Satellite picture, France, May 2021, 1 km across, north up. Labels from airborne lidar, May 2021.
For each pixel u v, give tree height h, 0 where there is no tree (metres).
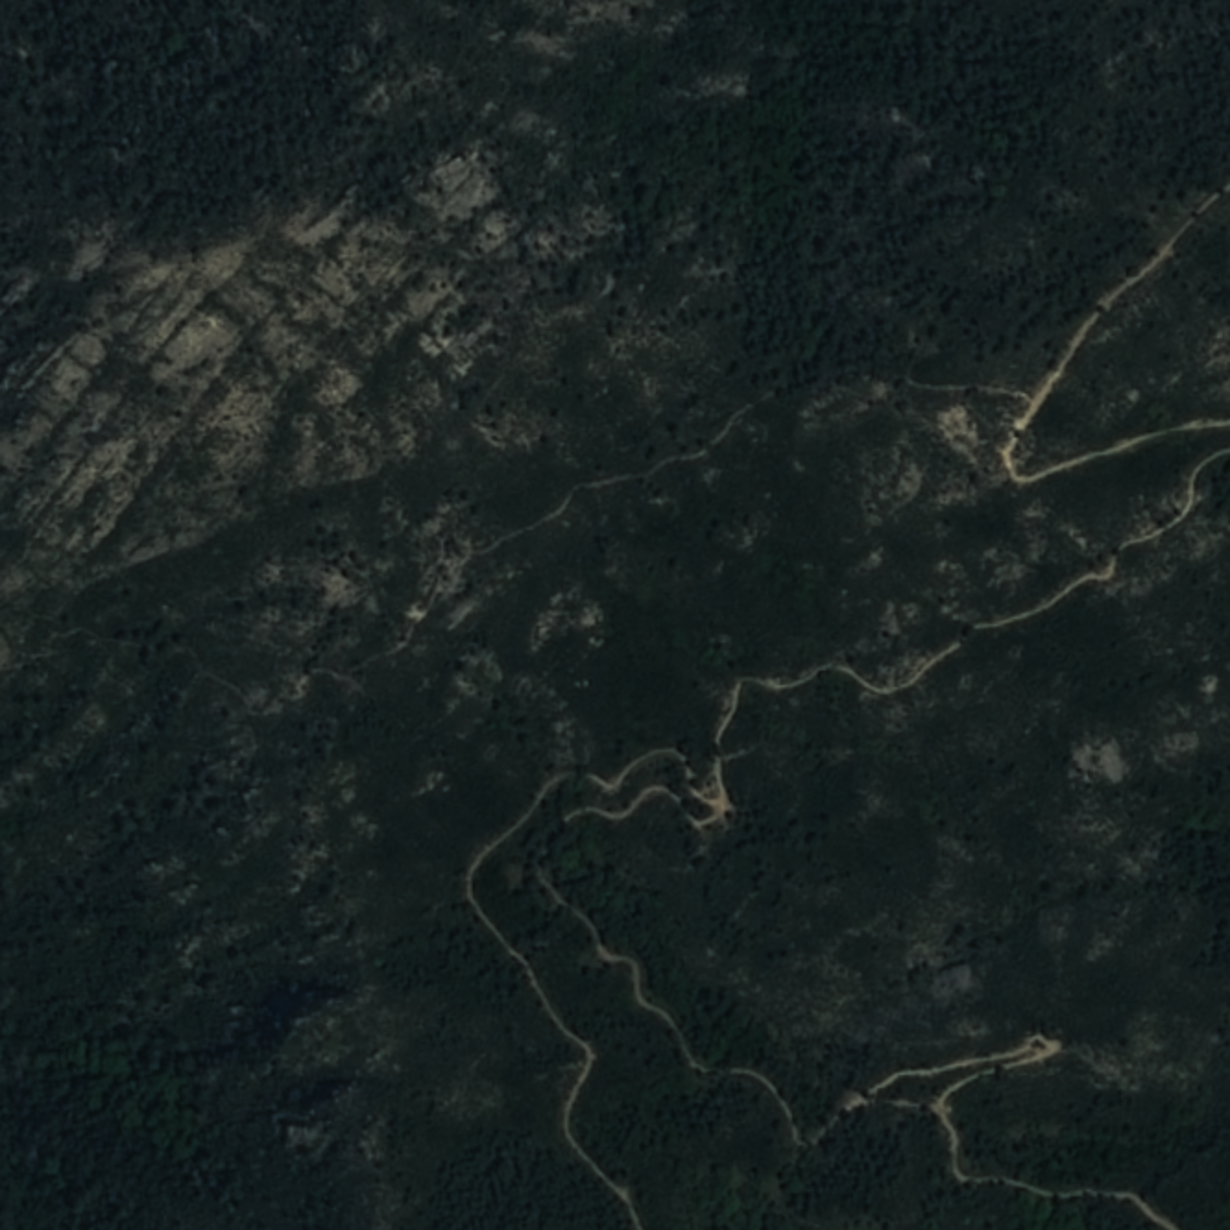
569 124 7
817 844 17
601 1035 10
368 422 15
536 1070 12
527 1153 17
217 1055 8
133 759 8
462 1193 15
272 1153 9
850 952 8
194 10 18
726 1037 10
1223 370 0
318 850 14
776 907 11
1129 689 14
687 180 7
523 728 25
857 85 12
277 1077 8
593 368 0
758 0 14
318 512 16
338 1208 13
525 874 6
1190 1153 7
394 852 5
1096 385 10
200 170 19
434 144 18
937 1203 16
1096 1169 9
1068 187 12
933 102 21
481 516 17
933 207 12
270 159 18
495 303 0
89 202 17
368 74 13
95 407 0
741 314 20
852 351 16
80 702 17
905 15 26
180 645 19
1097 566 11
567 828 17
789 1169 10
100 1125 6
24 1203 6
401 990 10
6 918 8
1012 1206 11
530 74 8
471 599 10
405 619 10
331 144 17
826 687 9
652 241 22
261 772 17
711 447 18
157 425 0
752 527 11
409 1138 14
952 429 0
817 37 17
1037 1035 10
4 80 18
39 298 15
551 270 14
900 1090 11
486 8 20
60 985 8
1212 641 9
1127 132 14
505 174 14
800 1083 8
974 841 17
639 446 10
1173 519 11
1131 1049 20
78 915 6
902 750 10
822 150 22
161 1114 24
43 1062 20
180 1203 9
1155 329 12
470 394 15
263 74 18
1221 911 20
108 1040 11
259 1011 10
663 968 8
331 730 13
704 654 9
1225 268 7
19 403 5
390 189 17
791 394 11
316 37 19
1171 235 0
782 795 8
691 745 14
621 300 19
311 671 13
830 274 21
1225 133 9
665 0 9
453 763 25
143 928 8
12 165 15
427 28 12
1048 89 18
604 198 12
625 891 19
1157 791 14
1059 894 32
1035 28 14
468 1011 7
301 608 15
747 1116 12
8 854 10
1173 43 15
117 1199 5
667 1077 7
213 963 11
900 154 17
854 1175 13
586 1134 8
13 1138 6
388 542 8
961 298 17
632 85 12
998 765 13
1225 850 20
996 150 10
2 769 8
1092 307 19
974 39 18
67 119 23
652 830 7
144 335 0
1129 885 9
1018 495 0
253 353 15
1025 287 12
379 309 14
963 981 0
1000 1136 7
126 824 35
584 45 5
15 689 6
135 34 8
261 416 0
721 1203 16
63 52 14
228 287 0
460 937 14
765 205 22
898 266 19
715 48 11
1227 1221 6
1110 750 0
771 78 20
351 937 12
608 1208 15
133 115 14
